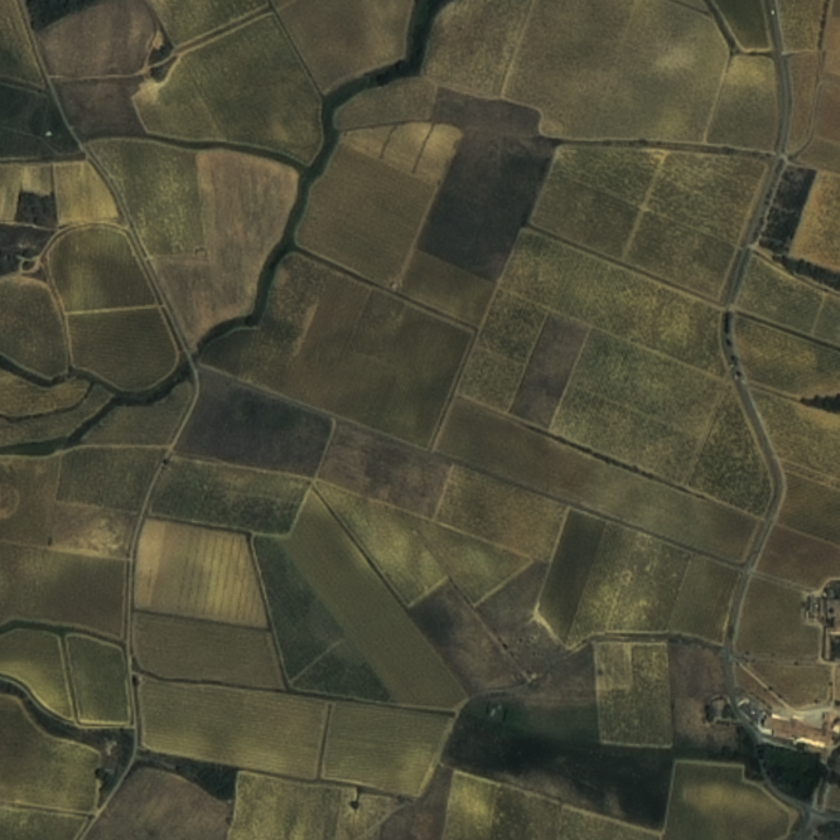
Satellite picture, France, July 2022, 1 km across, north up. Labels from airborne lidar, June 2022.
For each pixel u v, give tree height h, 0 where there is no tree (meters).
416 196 0
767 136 0
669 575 0
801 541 0
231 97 0
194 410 0
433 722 0
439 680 0
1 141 0
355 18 0
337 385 0
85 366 0
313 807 0
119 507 0
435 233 0
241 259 0
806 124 0
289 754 0
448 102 0
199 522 0
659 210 0
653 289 0
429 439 0
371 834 0
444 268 0
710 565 0
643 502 0
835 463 0
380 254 0
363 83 6
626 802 0
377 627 0
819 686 0
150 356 0
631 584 0
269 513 0
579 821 0
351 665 0
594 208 0
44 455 0
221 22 0
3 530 0
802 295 0
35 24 7
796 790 6
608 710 0
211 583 0
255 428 0
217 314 0
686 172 0
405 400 0
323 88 0
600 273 0
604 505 0
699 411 0
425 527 0
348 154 0
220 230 0
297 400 0
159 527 0
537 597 0
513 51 0
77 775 0
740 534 0
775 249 7
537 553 0
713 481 0
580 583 0
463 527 0
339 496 0
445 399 0
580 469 0
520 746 0
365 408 0
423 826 0
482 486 0
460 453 0
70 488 0
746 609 0
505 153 0
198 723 0
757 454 0
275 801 0
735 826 0
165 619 0
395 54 0
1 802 0
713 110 0
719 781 0
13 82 0
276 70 0
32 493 0
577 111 0
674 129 0
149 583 0
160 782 0
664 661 0
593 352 0
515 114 0
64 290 0
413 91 0
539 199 0
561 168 0
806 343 0
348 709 0
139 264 0
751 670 0
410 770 0
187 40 0
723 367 0
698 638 0
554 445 0
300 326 0
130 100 0
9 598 0
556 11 0
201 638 0
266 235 0
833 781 15
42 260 0
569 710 0
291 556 0
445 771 0
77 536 0
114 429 0
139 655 0
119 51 0
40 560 0
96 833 0
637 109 0
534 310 0
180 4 0
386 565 0
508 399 0
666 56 0
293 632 0
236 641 0
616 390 0
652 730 0
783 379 0
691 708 0
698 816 0
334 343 0
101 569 0
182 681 0
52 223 0
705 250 0
